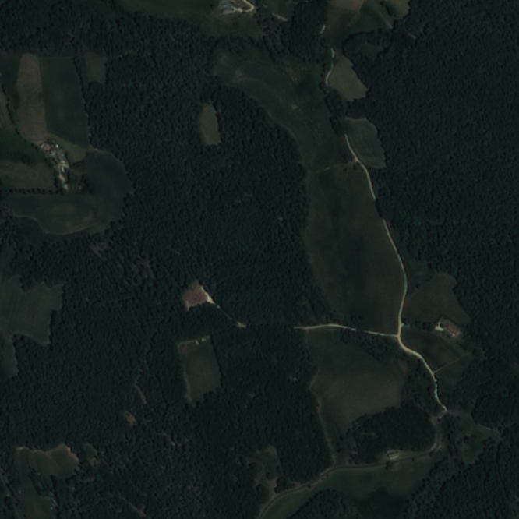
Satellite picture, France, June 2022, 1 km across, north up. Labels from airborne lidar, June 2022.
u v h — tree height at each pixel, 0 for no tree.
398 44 27
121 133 12
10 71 0
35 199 0
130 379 8
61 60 0
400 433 14
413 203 19
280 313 27
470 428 0
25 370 23
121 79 20
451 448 14
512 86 19
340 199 0
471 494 23
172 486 23
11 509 14
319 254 0
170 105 19
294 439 14
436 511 23
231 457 17
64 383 18
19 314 0
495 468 26
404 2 0
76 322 22
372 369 0
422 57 20
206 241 16
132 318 27
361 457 18
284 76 0
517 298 24
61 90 0
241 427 17
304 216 16
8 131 0
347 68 0
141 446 20
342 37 0
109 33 32
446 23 18
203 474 20
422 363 11
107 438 23
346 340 9
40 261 18
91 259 17
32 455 0
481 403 18
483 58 27
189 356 0
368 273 0
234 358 19
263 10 10
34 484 12
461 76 22
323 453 21
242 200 12
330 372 0
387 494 0
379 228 0
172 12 0
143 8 0
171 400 19
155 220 17
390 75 24
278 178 17
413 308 0
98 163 0
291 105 0
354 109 17
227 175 17
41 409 19
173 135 13
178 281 21
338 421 0
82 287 16
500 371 19
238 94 26
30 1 22
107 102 15
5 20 21
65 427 22
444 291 0
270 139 14
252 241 19
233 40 13
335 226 0
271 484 0
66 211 0
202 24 0
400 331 0
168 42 16
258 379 17
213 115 0
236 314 27
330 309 13
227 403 14
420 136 19
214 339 18
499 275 21
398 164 17
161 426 17
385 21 0
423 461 0
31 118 0
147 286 23
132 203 20
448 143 19
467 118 17
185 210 20
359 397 0
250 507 22
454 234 16
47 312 0
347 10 0
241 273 24
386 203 21
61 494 26
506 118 19
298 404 14
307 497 0
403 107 22
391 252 0
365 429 12
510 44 14
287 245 27
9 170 0
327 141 0
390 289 0
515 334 17
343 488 0
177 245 21
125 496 10
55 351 23
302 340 20
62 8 19
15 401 17
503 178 16
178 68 14
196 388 0
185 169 16
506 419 13
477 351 14
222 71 0
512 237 14
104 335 27
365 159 0
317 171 0
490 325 17
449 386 0
